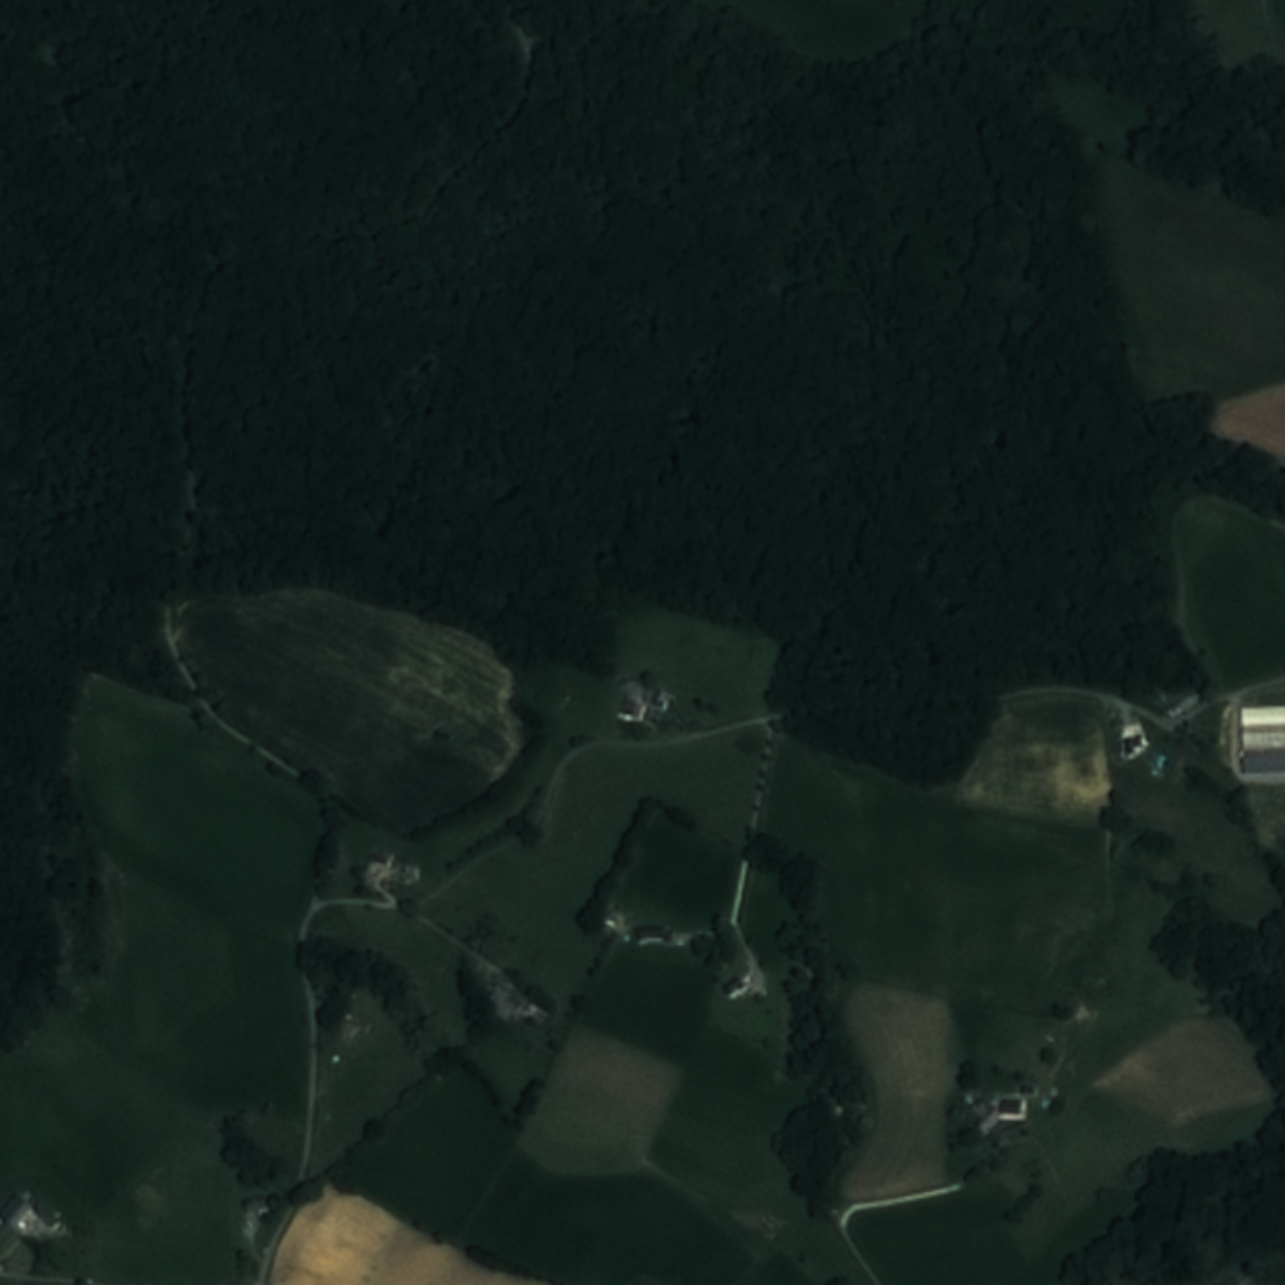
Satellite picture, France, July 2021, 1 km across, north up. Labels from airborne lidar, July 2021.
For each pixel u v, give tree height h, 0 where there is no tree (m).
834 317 25
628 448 32
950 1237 0
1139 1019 0
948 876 0
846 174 28
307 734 0
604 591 20
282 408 23
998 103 24
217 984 0
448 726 0
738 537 25
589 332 24
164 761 0
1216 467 21
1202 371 0
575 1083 0
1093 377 30
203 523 23
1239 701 0
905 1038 0
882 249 17
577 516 24
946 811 0
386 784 0
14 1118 0
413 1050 14
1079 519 26
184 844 0
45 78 32
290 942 0
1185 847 0
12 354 25
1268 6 0
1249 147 27
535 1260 0
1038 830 0
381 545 27
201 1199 0
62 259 16
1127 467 30
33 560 30
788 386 22
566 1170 0
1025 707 0
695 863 0
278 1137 0
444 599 23
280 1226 0
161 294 21
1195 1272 20
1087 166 21
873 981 0
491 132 23
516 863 0
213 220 23
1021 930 0
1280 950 8
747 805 0
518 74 17
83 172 21
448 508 27
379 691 0
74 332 22
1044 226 17
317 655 0
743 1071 0
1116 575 26
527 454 22
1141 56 26
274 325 22
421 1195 0
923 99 25
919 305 21
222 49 23
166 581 27
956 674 32
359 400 30
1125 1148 0
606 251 31
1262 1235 32
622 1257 0
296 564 23
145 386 18
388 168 19
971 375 27
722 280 23
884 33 0
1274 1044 22
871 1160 0
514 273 32
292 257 18
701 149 28
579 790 0
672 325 27
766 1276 0
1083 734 0
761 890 0
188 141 23
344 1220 0
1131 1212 0
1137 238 0
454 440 32
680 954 0
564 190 28
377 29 28
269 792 0
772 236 18
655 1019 0
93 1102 0
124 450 30
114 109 27
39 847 23
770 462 24
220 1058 0
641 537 30
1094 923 0
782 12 0
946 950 0
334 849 15
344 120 25
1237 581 0
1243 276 0
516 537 24
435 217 12
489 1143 0
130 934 0
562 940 0
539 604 25
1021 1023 0
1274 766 0
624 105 19
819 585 24
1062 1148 0
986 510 28
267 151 26
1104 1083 0
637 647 0
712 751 0
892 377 23
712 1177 0
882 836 0
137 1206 0
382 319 30
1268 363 0
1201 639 0
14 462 22
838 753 14
